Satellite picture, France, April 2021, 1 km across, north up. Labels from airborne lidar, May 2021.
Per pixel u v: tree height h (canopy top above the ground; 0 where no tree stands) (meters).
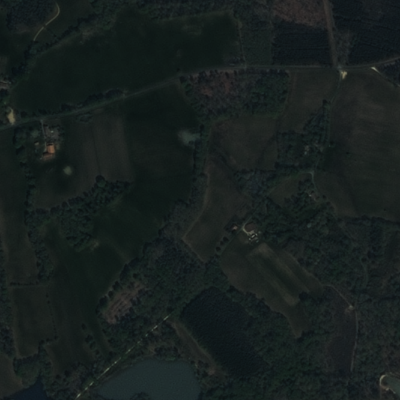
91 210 21
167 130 0
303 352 23
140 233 0
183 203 16
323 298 6
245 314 12
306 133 11
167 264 21
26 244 0
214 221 0
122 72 0
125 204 0
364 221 18
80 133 0
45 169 0
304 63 8
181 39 0
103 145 0
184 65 0
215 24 0
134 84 0
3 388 0
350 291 8
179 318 19
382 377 0
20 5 19
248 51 6
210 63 0
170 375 0
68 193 0
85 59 0
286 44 13
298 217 6
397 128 0
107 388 0
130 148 0
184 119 0
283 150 8
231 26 0
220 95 13
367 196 0
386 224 21
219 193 0
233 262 0
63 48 0
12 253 0
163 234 17
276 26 15
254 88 18
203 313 17
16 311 0
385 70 20
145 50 0
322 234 9
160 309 20
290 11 9
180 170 0
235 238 0
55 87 0
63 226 19
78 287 0
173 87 0
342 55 11
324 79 0
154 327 27
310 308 20
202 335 19
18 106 0
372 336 20
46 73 0
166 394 0
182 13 15
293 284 0
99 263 0
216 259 15
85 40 0
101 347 0
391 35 15
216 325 18
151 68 0
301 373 14
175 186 0
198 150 21
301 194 9
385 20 13
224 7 13
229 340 17
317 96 0
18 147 15
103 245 0
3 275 17
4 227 0
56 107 0
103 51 0
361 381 15
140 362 0
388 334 21
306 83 0
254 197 16
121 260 0
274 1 13
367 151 0
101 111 0
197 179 18
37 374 23
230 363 20
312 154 18
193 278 16
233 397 21
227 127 0
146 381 0
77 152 0
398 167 0
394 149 0
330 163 0
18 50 0
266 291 0
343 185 0
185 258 17
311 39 11
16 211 0
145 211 0
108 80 0
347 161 0
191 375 0
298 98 0
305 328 0
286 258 0
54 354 0
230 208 0
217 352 17
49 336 0
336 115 0
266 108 25
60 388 6
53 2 16
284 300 0
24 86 0
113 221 0
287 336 19
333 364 11
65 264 0
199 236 0
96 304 0
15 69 0
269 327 12
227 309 14
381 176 0
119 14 0
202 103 9
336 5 13
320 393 27
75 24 0
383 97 0
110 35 0
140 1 16
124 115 0
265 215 20
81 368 10
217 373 0
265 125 0
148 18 0
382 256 14
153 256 21
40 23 6
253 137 0
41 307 0
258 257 0
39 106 0
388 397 12
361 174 0
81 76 0
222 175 0
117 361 18
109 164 0
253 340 15
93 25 20
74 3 0
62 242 0
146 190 0
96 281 0
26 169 14
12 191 0
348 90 0
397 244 8
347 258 20
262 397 23
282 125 0
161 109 0
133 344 21
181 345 23
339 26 14
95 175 0
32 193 11
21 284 7
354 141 0
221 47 0
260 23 18
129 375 0
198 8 9
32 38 0
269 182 20
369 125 0
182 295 18
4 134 0
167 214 0
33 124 0
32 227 18
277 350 21
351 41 12
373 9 8
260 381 26
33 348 0
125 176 0
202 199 17
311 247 22
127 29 0
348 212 0
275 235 12
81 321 0
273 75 20
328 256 12
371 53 15
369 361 13
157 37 0
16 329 0
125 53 0
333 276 23
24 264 0
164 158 0
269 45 6
